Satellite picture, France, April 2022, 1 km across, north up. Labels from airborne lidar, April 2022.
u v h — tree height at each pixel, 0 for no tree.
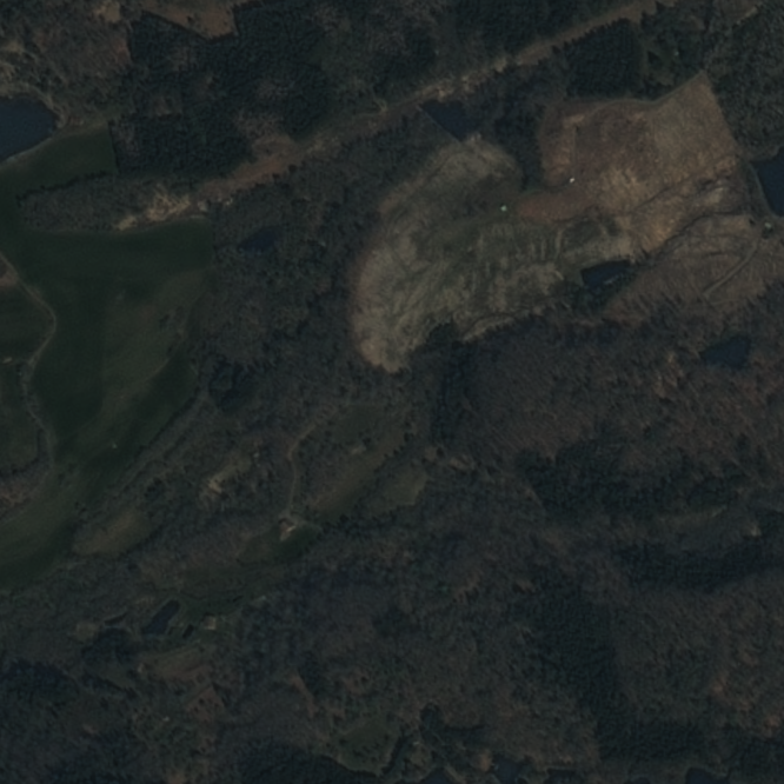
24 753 28
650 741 14
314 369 20
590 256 0
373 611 28
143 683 21
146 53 17
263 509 16
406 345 0
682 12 16
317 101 25
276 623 20
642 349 17
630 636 23
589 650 16
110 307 0
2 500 7
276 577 0
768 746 16
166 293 0
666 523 19
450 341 9
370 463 0
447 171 0
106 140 0
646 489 21
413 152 18
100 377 0
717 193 0
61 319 0
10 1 9
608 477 23
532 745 17
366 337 0
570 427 24
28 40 15
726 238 0
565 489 22
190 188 12
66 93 19
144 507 6
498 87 21
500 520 21
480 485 19
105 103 14
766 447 14
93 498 0
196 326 0
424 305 0
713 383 24
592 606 12
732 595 27
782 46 26
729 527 11
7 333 0
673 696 15
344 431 0
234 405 30
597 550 14
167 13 0
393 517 10
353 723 11
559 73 17
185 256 0
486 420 24
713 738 14
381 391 15
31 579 0
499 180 0
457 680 20
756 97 33
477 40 17
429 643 19
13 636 22
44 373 0
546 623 16
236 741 17
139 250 0
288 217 11
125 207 15
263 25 25
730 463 23
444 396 9
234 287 13
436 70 15
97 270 0
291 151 0
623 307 0
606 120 0
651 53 0
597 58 14
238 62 18
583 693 18
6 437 0
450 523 21
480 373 24
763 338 22
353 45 17
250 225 11
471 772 12
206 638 0
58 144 0
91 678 10
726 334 7
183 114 9
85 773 30
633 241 0
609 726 19
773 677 20
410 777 15
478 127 8
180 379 0
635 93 17
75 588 16
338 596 30
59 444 0
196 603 0
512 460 25
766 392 23
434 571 14
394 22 17
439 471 16
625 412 22
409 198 0
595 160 0
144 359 0
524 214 0
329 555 7
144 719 9
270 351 7
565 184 0
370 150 18
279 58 22
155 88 21
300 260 9
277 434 25
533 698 15
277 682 23
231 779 13
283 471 17
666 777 17
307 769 20
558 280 0
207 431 23
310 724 18
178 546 21
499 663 21
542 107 34
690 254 0
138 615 6
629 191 0
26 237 0
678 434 8
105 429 0
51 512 0
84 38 14
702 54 10
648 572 15
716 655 20
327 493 14
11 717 23
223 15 0
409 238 0
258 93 22
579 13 16
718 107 0
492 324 0
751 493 12
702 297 0
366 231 18
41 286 0
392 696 16
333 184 14
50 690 36
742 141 29
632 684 23
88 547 0
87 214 12
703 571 20
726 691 21
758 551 16
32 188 0
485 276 0
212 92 16
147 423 0
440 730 22
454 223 0
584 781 15
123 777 10
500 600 13
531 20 19
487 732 21
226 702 8
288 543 0
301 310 12
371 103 17
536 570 18
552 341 27
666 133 0
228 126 20
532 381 23
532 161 23
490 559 16
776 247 0
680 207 0
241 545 19
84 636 0
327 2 22
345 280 17
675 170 0
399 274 0
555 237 0
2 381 0
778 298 23
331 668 13
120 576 19
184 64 19
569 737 17
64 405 0
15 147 0
